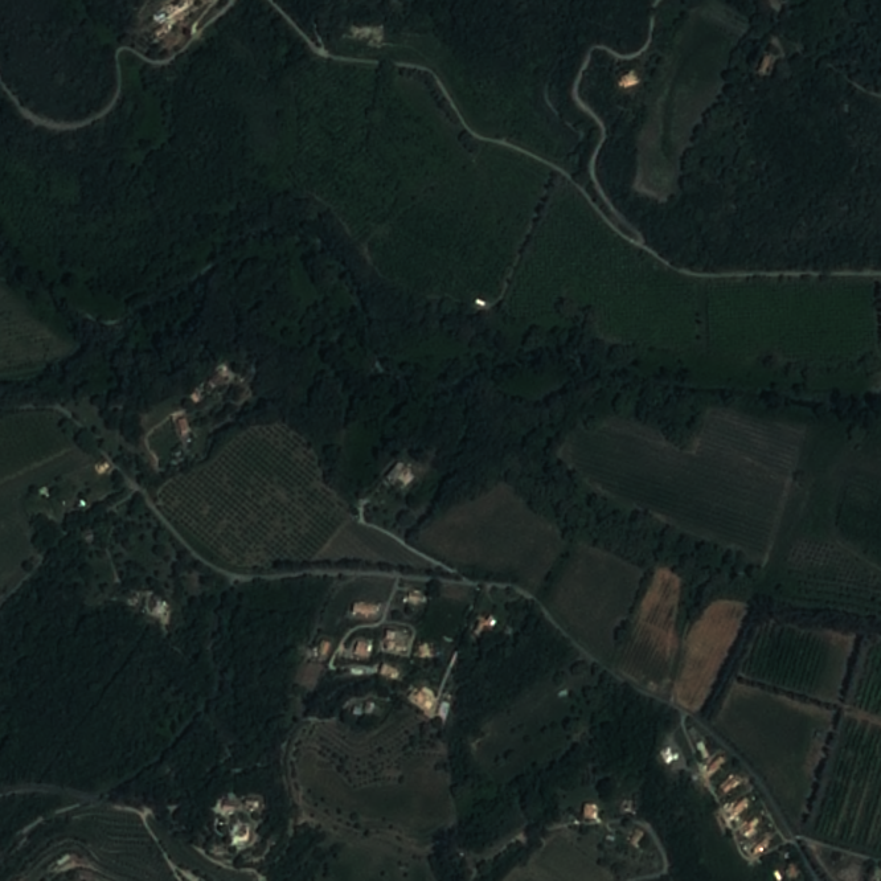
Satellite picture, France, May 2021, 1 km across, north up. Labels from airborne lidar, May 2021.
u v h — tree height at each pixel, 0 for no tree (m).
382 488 8
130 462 8
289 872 12
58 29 9
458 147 0
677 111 0
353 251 17
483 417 8
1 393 19
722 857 0
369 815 0
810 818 16
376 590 0
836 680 0
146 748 11
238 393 15
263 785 10
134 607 7
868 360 16
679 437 15
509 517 0
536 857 0
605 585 0
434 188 7
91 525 11
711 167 12
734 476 0
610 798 11
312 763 0
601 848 8
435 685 6
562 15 10
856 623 19
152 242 7
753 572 21
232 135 10
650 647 0
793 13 12
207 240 7
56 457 0
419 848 0
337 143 6
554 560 0
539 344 23
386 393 24
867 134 6
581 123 9
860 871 0
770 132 14
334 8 9
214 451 8
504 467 13
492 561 0
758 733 0
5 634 8
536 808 15
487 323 14
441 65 0
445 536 0
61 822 8
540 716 0
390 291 9
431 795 0
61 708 7
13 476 0
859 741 6
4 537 0
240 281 13
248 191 10
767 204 8
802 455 0
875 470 0
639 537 17
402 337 10
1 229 19
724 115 15
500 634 6
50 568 8
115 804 19
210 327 22
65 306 20
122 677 9
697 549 13
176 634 11
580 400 16
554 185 13
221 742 13
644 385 15
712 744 5
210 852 8
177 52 10
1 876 6
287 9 9
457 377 12
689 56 0
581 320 16
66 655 10
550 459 18
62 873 5
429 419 12
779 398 29
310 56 7
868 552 5
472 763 8
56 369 15
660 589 0
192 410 7
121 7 7
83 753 7
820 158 11
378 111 11
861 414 24
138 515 11
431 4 13
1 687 18
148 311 17
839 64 11
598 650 0
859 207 10
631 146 6
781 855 7
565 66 6
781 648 6
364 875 0
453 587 0
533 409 21
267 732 9
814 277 7
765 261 9
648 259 8
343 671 7
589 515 11
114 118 8
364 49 0
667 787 13
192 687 15
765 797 7
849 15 12
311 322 16
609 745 12
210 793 13
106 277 11
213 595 8
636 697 13
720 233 8
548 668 11
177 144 11
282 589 0
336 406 14
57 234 8
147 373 22
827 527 0
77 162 12
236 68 8
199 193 9
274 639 10
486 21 6
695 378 20
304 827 7
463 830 6
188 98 9
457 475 18
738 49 7
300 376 20
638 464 0
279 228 21
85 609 13
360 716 8
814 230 9
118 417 11
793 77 11
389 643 0
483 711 9
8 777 6
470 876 13
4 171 6
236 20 11
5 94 8
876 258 9
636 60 6
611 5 8
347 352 17
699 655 0
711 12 0
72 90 6
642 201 10
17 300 0
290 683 11
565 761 12
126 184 9
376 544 0
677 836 12
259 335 20
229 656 8
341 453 20
